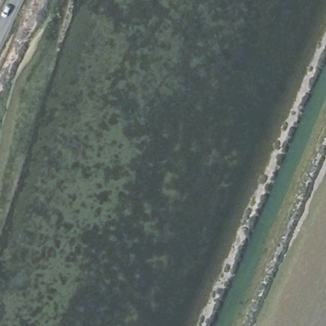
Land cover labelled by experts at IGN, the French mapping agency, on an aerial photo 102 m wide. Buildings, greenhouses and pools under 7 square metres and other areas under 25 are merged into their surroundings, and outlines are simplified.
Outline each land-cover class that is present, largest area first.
<instances>
[{"label":"water","instance_id":"1","mask_svg":"<svg viewBox=\"0 0 326 326\"><path fill-rule=\"evenodd\" d=\"M69 0H57L53 4L52 14L61 15L59 18H52L45 31L39 38L31 60L20 71L6 110L0 140V326H237L244 308L251 301L256 281L265 269L271 241L278 233L281 220L290 204V197L294 195L295 186L298 185L299 177L306 167L309 153L315 148L317 136L326 121V48L318 62L316 75L309 83V92L303 98L298 120L290 130L287 141L280 143L279 136L280 126L289 116L304 75L307 74V66L311 64L316 48L321 46L323 33L326 31V0H74L69 27L66 29L64 41L60 43L57 42V37ZM276 149L283 150V153L278 157L270 182L267 181L265 169L271 153ZM238 228L244 230L246 238L239 247L236 262L229 265L225 259L236 239ZM255 326H326V173L313 195L312 204L298 237L292 246H289Z\"/></svg>","mask_w":326,"mask_h":326},{"label":"brushwood","instance_id":"2","mask_svg":"<svg viewBox=\"0 0 326 326\"><path fill-rule=\"evenodd\" d=\"M31 0H23L17 17L11 23L10 31L0 46V56L10 36L17 33L19 24L23 23L24 11ZM57 0H47L37 15L36 28L20 48L18 59L11 65L9 79L3 78V90L0 92V140L6 110L20 71L18 66L23 61L33 37L39 29L45 31L52 18H59L61 15L52 14L53 4ZM326 159V121L317 136L315 148L309 153L306 167L299 177L298 185L295 186L294 195L290 197V204L281 220L278 233L271 241L265 269L256 281L251 301L244 308L237 326H255L289 246Z\"/></svg>","mask_w":326,"mask_h":326},{"label":"pervious surface","instance_id":"3","mask_svg":"<svg viewBox=\"0 0 326 326\"><path fill-rule=\"evenodd\" d=\"M45 31L39 29L33 37L23 61L18 66L20 71L31 60L39 38ZM326 48V31L323 33L321 46L316 48L311 64L307 66V74L304 75L289 116L280 126L279 136L280 143L287 141L290 130L298 120L303 98L309 92V83L316 75L318 62ZM283 153V150L276 149L271 153L265 169L267 181L270 182L278 157ZM326 173V159L289 246H292L298 237L312 204L313 195ZM246 238L244 230L238 228L236 239L225 259L229 265L236 262L239 247Z\"/></svg>","mask_w":326,"mask_h":326},{"label":"herbaceous vegetation","instance_id":"4","mask_svg":"<svg viewBox=\"0 0 326 326\"><path fill-rule=\"evenodd\" d=\"M47 0H31L24 11L23 23L19 24L17 33L10 36L0 56V92L3 90V78L9 79L11 65L18 59L20 48L36 28L37 15ZM74 0H69L57 37V42L60 43L64 41L66 29L69 27Z\"/></svg>","mask_w":326,"mask_h":326},{"label":"impervious surface","instance_id":"5","mask_svg":"<svg viewBox=\"0 0 326 326\"><path fill-rule=\"evenodd\" d=\"M23 0H0V46L10 31L11 23L17 17Z\"/></svg>","mask_w":326,"mask_h":326}]
</instances>
